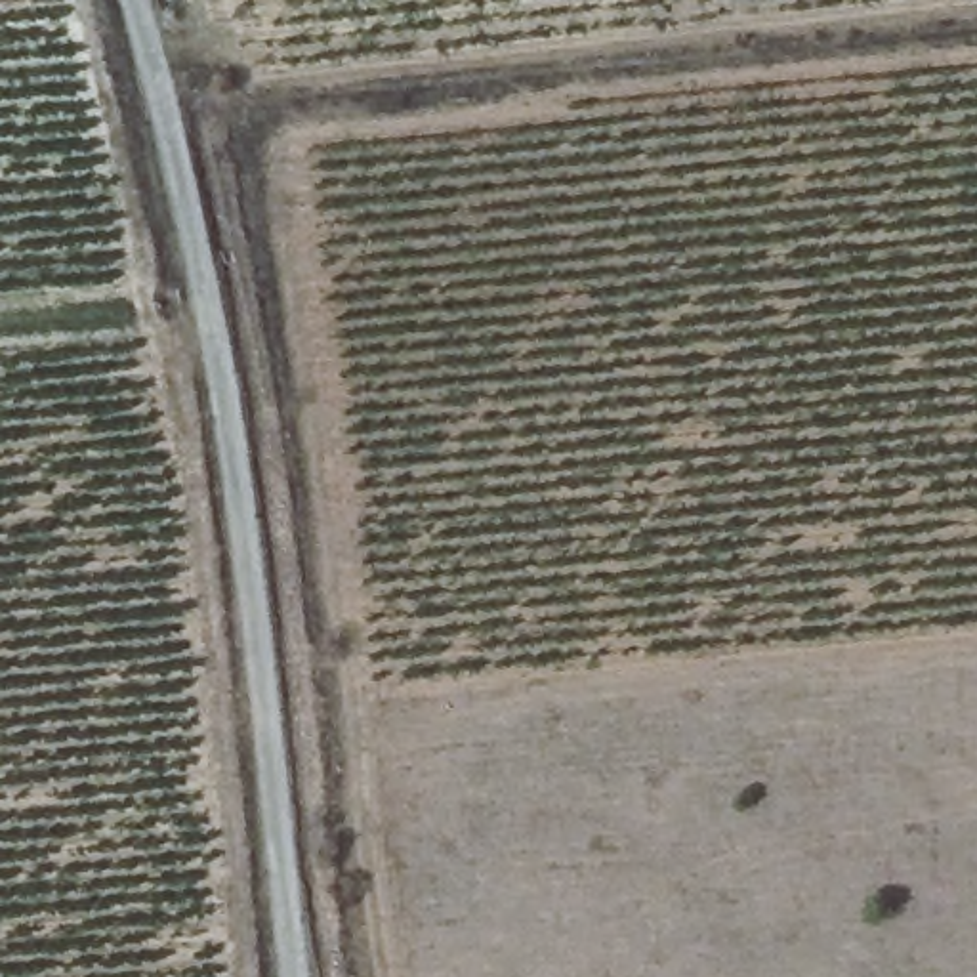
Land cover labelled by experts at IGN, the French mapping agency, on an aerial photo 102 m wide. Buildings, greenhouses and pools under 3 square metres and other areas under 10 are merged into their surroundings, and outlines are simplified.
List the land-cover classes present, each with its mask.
<instances>
[{"label":"vineyard","instance_id":"1","mask_svg":"<svg viewBox=\"0 0 977 977\"><path fill-rule=\"evenodd\" d=\"M122 130V114L88 0H0V313L114 298H126L137 313L134 324L118 328L0 336V977H279L233 550L225 523L210 385L202 366L198 321L191 305L187 313L160 321L156 256L149 229L141 225V202L134 191L126 149L111 134ZM168 61L176 53H195L202 61H229L248 73L252 84L263 88H340L378 76H408L466 65H523L592 50L717 42L725 34L744 31H893L927 19H977V0H149ZM271 244L279 263L294 382L317 389V401L301 408V443L309 466L324 626H351V653L374 664V679L382 683L500 668H546L569 660H576L580 668H599L607 656H664L977 622V46H904L885 53H851L821 61L702 69L626 80H576L546 92H519L500 103L282 126L263 153Z\"/></svg>","mask_w":977,"mask_h":977},{"label":"agricultural land","instance_id":"2","mask_svg":"<svg viewBox=\"0 0 977 977\"><path fill-rule=\"evenodd\" d=\"M340 729L347 756L343 813L355 836L351 859L355 866L370 870L374 882L363 897L366 962L374 977H977V622L664 656H607L599 668H580L576 660H569L546 668H500L382 683L374 679V664L351 653L340 664Z\"/></svg>","mask_w":977,"mask_h":977},{"label":"brushwood","instance_id":"3","mask_svg":"<svg viewBox=\"0 0 977 977\"><path fill-rule=\"evenodd\" d=\"M122 114V130L111 134L126 149L134 191L141 202V225L149 229L156 256L160 321L187 313L191 305L160 149L122 15L126 0H88ZM904 46H977V19H927L893 31H744L725 34L717 42L592 50L523 65H466L408 76H378L340 88H263L252 84L248 73L229 61H202L195 53H176L168 61L240 385L275 645L309 977H374L366 962L363 897L374 882L370 870L355 866L351 859L355 836L343 813L347 756L340 729V664L351 653V626H324L309 466L301 443V408L317 401V389L294 382L279 263L271 244L263 153L282 126L500 103L519 92H546L576 80H626L702 69L821 61L851 53H885ZM137 313L126 298H114L0 313V336L118 328L134 324Z\"/></svg>","mask_w":977,"mask_h":977},{"label":"pervious surface","instance_id":"4","mask_svg":"<svg viewBox=\"0 0 977 977\"><path fill-rule=\"evenodd\" d=\"M122 15L160 149L191 305L198 321L202 366L210 385L225 523L233 550L279 977H309L275 645L240 385L168 61L149 0H126Z\"/></svg>","mask_w":977,"mask_h":977}]
</instances>
